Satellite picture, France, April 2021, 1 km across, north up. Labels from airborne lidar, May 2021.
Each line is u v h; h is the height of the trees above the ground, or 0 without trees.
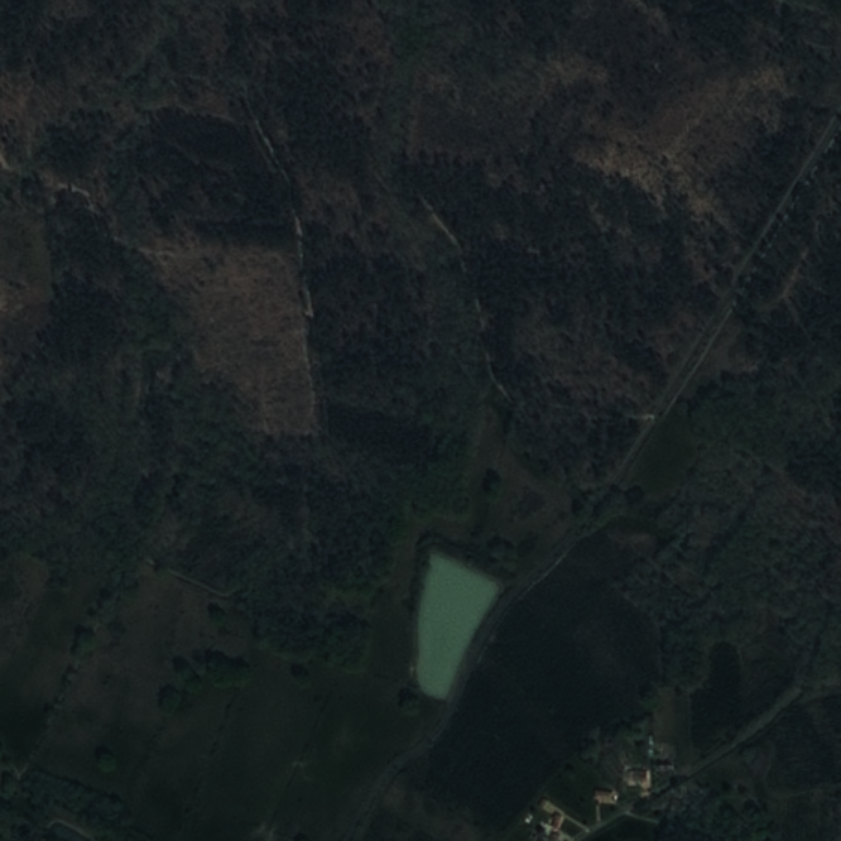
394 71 15
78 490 7
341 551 18
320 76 16
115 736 0
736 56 16
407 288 21
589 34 7
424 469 21
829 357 16
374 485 18
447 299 20
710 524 12
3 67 17
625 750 13
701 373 0
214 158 14
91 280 10
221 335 0
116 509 20
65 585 12
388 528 24
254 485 17
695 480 13
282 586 21
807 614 19
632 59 0
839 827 7
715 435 19
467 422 18
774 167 20
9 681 0
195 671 15
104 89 11
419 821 0
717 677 6
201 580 8
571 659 7
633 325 23
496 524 0
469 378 26
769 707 6
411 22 18
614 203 20
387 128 20
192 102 14
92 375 16
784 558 15
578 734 7
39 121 15
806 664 13
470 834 0
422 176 19
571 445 16
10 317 0
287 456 9
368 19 11
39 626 0
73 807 14
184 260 0
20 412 23
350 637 17
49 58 17
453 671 0
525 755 7
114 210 9
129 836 14
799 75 0
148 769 0
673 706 0
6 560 17
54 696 0
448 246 8
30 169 22
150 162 19
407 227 19
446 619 0
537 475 0
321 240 22
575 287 26
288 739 0
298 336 0
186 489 16
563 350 10
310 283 15
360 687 0
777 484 15
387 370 26
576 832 0
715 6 21
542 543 0
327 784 0
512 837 0
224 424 20
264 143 14
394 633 0
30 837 14
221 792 0
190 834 0
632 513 11
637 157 0
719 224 17
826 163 8
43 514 12
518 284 20
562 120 7
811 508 13
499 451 0
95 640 17
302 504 16
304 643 21
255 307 0
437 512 20
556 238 24
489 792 6
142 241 13
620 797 9
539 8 19
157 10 21
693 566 15
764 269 19
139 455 17
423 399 26
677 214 19
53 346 26
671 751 0
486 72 21
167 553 9
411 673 0
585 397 8
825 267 18
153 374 0
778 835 16
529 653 5
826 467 27
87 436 20
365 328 11
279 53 18
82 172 14
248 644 0
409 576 0
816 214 14
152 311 22
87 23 9
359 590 16
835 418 8
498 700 7
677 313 24
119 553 21
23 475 9
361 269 20
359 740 0
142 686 0
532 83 11
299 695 0
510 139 0
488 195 19
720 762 0
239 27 17
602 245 21
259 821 0
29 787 8
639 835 0
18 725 0
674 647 20
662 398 17
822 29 18
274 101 23
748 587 22
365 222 12
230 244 18
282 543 17
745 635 15
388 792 0
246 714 0
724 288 15
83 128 26
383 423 16
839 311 21
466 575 0
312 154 25
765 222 11
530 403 20
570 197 21
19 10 24
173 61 12
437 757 6
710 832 16
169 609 0
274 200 13
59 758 0
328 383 17
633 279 23
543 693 6
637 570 10
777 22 16
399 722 0
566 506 0
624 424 19
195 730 0
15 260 0
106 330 24
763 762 0
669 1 17
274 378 0
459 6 20
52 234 14
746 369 0
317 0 18
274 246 19
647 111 7
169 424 24
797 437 20
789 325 15
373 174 29
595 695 7
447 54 18
